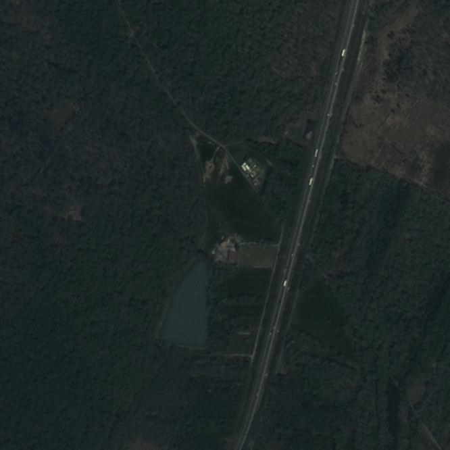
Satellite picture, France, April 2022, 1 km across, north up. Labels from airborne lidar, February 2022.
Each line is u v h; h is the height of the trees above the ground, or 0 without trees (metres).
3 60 0
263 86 22
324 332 0
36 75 0
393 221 23
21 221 0
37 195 0
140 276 0
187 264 21
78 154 0
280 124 24
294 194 8
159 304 0
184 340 0
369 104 0
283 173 0
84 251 0
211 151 0
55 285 0
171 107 23
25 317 0
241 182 0
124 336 0
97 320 0
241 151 0
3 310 0
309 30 24
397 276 28
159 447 0
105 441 19
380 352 21
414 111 0
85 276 0
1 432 0
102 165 0
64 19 0
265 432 14
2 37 0
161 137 0
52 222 0
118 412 0
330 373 27
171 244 26
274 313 0
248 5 22
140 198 0
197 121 22
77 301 0
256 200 0
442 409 28
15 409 0
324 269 25
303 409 12
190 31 21
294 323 0
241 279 0
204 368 0
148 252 0
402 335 24
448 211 25
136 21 0
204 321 0
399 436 25
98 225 0
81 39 0
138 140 0
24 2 0
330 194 14
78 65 0
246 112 24
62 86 0
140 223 0
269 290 0
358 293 26
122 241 0
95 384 25
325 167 0
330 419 16
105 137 0
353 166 22
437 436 15
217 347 0
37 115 0
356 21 0
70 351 0
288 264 0
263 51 25
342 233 10
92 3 0
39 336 0
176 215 21
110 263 0
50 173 0
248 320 0
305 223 0
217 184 0
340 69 0
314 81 18
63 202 0
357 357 10
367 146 0
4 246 0
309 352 0
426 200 24
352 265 29
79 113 0
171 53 23
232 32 24
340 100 0
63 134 0
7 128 0
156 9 0
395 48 0
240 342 0
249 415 0
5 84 0
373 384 16
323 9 25
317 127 0
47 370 0
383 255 27
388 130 0
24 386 0
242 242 0
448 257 28
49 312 0
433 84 21
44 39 0
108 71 0
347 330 13
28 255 0
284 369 0
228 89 24
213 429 20
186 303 0
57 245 0
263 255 0
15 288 0
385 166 0
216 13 23
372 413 21
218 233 0
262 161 0
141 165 0
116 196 0
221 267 0
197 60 20
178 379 17
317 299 0
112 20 0
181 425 18
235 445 0
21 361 0
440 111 0
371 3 0
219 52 24
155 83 0
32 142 0
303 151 11
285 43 21
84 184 0
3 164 0
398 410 21
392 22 0
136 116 0
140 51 0
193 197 23
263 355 0
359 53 0
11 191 0
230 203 0
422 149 0
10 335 0
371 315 28
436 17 29
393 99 0
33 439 29
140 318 0
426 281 27
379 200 24
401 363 24
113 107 0
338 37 0
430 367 0
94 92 0
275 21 25
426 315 30
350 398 25
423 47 25
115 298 0
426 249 26
